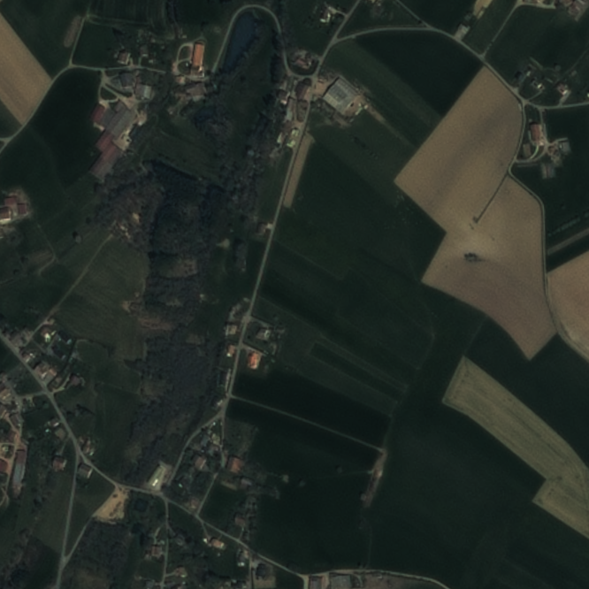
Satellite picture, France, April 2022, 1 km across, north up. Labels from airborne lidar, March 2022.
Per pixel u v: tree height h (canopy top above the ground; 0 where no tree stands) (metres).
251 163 17
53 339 0
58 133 0
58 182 0
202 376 7
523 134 0
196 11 0
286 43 18
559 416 0
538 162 0
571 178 0
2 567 12
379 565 0
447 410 0
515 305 0
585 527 0
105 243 0
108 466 0
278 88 19
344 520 0
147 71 7
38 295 0
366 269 0
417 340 0
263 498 0
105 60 0
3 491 0
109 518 0
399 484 0
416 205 0
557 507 0
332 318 0
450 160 0
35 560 0
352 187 0
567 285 0
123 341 0
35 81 0
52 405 0
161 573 0
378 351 0
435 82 0
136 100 0
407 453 0
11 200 0
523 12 0
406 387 0
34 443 10
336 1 0
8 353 0
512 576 0
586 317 0
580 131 0
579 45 0
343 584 0
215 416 0
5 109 0
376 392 0
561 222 0
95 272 0
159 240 27
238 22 0
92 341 0
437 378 0
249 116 0
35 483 0
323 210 0
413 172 0
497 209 0
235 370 0
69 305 0
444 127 0
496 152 0
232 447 7
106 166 0
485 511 0
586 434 0
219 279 0
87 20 0
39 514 14
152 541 14
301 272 0
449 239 0
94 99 0
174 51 0
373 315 0
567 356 0
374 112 0
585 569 0
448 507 0
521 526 0
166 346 15
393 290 0
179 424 0
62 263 0
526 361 0
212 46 0
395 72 0
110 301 0
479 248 0
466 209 0
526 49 0
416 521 0
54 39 0
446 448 0
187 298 8
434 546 0
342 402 0
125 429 0
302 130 0
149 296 10
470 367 0
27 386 0
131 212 10
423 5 0
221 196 27
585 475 0
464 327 0
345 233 0
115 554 14
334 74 0
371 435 0
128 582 0
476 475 0
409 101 0
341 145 0
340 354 0
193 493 7
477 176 0
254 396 0
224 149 18
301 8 0
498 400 0
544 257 0
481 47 0
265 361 0
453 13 0
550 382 0
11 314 0
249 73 0
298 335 0
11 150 0
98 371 0
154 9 0
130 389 0
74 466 0
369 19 0
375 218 0
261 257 0
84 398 0
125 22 0
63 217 0
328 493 0
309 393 0
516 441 0
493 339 0
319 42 0
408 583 0
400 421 0
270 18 0
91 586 0
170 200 17
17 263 0
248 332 0
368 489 0
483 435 0
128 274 0
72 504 0
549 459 0
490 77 0
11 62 0
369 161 0
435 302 0
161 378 7
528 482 0
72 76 0
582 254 0
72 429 0
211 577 15
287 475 0
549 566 0
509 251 0
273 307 0
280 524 0
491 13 0
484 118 0
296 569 14
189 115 14
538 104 0
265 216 0
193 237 7
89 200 0
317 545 0
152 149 0
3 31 0
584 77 0
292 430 0
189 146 0
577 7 0
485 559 0
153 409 14
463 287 0
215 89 16
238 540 0
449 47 0
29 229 0
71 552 0
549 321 0
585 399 0
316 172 0
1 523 0
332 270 0
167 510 0
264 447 0
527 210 0
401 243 0
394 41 0
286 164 0
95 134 0
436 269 0
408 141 0
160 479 0
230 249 0
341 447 0
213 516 0
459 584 0
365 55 0
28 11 0
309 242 0
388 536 0
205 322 0
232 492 0
